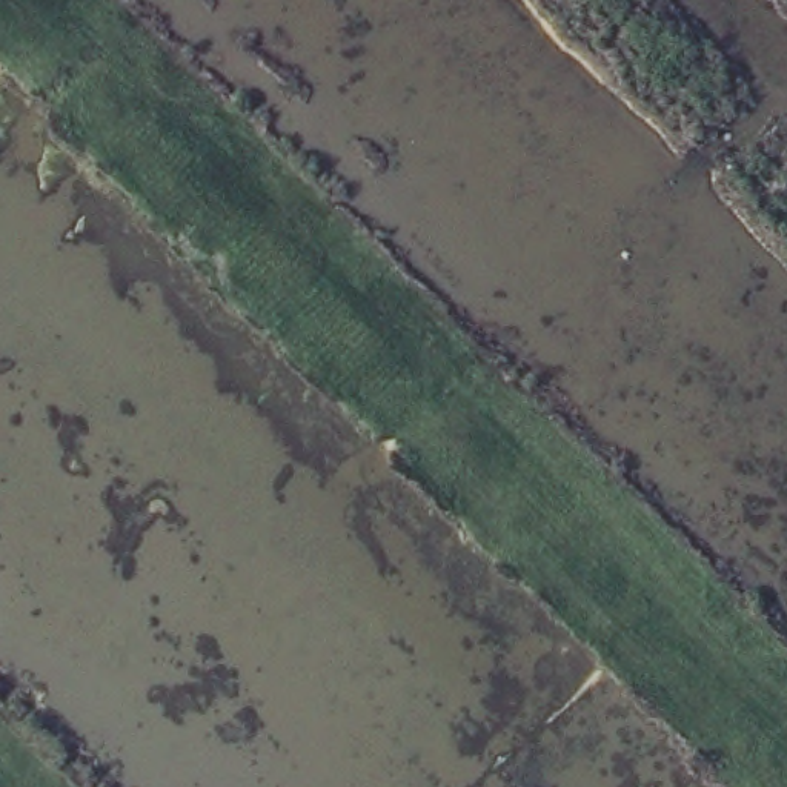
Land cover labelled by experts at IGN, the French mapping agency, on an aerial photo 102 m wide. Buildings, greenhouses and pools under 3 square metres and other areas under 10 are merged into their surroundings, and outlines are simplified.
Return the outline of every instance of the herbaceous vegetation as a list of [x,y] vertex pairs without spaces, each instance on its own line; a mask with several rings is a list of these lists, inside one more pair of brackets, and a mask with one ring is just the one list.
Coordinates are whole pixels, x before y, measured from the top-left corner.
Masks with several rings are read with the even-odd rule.
[[658,120],[655,129],[661,132],[682,132],[692,126],[682,108],[673,105]]
[[18,744],[18,738],[12,738],[9,726],[22,713],[15,704],[0,701],[0,787],[74,787],[65,778],[65,769],[43,772],[34,762],[34,756]]
[[692,550],[658,513],[621,480],[615,464],[603,464],[553,415],[541,412],[535,394],[529,378],[516,375],[516,369],[510,366],[495,366],[489,354],[461,326],[427,289],[412,283],[397,267],[397,261],[357,221],[347,218],[338,200],[329,194],[329,188],[310,169],[301,166],[301,160],[292,154],[286,141],[271,135],[246,114],[243,95],[234,92],[234,86],[224,92],[221,86],[206,83],[191,61],[188,46],[151,31],[141,22],[141,12],[132,6],[132,0],[0,0],[0,68],[6,71],[6,77],[18,83],[25,95],[46,105],[49,126],[58,138],[68,148],[80,151],[108,178],[108,184],[129,200],[129,206],[169,243],[169,249],[206,280],[215,298],[221,298],[246,323],[258,326],[258,332],[274,341],[274,347],[298,375],[304,375],[317,390],[323,390],[372,440],[390,440],[397,446],[390,452],[390,467],[409,477],[446,516],[452,516],[467,535],[467,541],[486,560],[510,569],[520,587],[575,643],[590,649],[596,664],[599,670],[606,670],[606,676],[624,689],[627,701],[646,719],[655,719],[658,729],[664,729],[670,750],[689,772],[695,750],[707,750],[719,762],[726,787],[787,787],[787,636],[781,639],[765,624],[756,596],[735,593],[707,566],[707,560],[698,550]]

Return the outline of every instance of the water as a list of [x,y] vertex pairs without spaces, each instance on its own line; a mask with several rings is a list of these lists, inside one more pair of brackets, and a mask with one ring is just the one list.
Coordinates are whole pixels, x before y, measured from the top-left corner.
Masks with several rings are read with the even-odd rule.
[[80,151],[68,148],[61,157],[52,160],[49,184],[40,184],[40,154],[58,138],[49,126],[46,105],[25,95],[18,83],[6,77],[6,71],[0,68],[0,701],[15,704],[22,713],[28,713],[31,722],[37,722],[43,710],[55,710],[83,738],[80,756],[74,762],[89,769],[95,787],[707,787],[689,772],[670,750],[664,729],[658,729],[655,719],[646,719],[627,701],[624,689],[606,676],[578,704],[569,707],[566,716],[547,722],[547,713],[572,695],[572,689],[596,664],[590,649],[575,643],[520,587],[510,569],[486,560],[467,541],[467,535],[452,516],[446,516],[409,477],[390,467],[390,452],[397,446],[390,440],[372,440],[323,390],[317,390],[304,375],[298,375],[274,347],[274,341],[258,332],[258,326],[246,323],[221,298],[215,298],[206,280],[169,249],[169,243],[129,206],[129,200],[108,184],[108,178]]
[[578,58],[566,55],[526,12],[520,0],[132,0],[132,6],[141,12],[141,22],[151,31],[188,46],[191,61],[206,83],[221,86],[224,92],[234,86],[255,86],[264,92],[267,101],[274,101],[274,108],[280,111],[280,129],[271,135],[286,141],[292,132],[298,132],[307,148],[320,148],[335,157],[335,166],[360,184],[357,209],[372,215],[378,224],[397,227],[397,243],[412,255],[424,277],[430,277],[455,304],[467,307],[470,320],[461,326],[489,354],[495,366],[510,366],[516,369],[516,375],[529,378],[535,394],[550,394],[553,403],[572,394],[578,412],[599,437],[633,449],[639,455],[639,480],[655,480],[664,492],[664,507],[658,513],[692,550],[698,550],[707,560],[707,566],[735,593],[756,596],[765,624],[781,639],[787,636],[787,255],[775,258],[735,215],[732,203],[719,197],[713,184],[713,163],[719,154],[741,154],[765,123],[787,117],[787,0],[682,0],[698,18],[707,22],[713,34],[738,37],[738,43],[744,46],[744,58],[756,77],[756,86],[762,89],[762,105],[756,114],[738,114],[716,126],[704,138],[704,144],[695,144],[676,154],[667,148],[661,132],[655,129],[643,117],[636,117],[609,86],[603,86]]

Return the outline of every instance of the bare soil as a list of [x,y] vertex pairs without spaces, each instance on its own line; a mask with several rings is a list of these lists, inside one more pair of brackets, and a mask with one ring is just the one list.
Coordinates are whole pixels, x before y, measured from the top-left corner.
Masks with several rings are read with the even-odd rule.
[[682,132],[661,132],[667,148],[676,154],[695,144],[698,129],[692,126]]
[[563,37],[556,22],[538,6],[538,0],[520,0],[526,12],[566,55],[578,58],[603,86],[609,86],[636,117],[643,117],[655,129],[658,120],[646,111],[643,101],[630,98],[621,74],[603,74],[590,52]]
[[49,184],[52,160],[61,157],[68,148],[58,138],[40,154],[40,184]]
[[606,670],[599,670],[596,664],[572,689],[572,695],[547,713],[547,722],[566,716],[569,707],[578,704],[606,676]]

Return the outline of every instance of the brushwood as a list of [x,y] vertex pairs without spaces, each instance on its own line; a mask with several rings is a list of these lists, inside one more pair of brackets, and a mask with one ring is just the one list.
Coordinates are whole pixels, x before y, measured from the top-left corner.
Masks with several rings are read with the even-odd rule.
[[301,166],[310,169],[329,188],[329,194],[338,200],[347,218],[357,221],[397,261],[397,267],[412,283],[427,289],[461,326],[470,320],[467,307],[455,304],[430,277],[424,277],[412,255],[397,243],[397,227],[378,224],[372,215],[357,209],[360,184],[335,166],[335,157],[320,148],[307,148],[298,132],[292,132],[286,141],[292,154],[301,160]]
[[698,129],[695,144],[704,144],[704,138],[716,126],[738,114],[756,114],[762,105],[762,89],[756,86],[756,77],[744,58],[744,46],[738,43],[738,37],[713,34],[707,22],[698,18],[682,0],[538,0],[538,6],[556,22],[563,37],[590,52],[603,74],[621,74],[630,98],[643,101],[646,111],[658,120],[673,105],[682,108],[692,126]]
[[65,778],[74,787],[95,787],[89,769],[74,762],[80,756],[83,738],[55,710],[43,710],[37,722],[31,722],[28,713],[22,713],[9,726],[12,738],[18,738],[18,744],[34,756],[34,762],[43,772],[65,769]]
[[707,787],[726,787],[719,762],[707,750],[695,750],[689,772]]
[[735,215],[775,258],[787,255],[787,117],[765,123],[741,154],[719,154],[713,163],[713,184],[719,197],[732,203]]
[[639,480],[639,455],[633,449],[599,437],[578,412],[572,394],[553,403],[550,394],[535,394],[541,412],[553,415],[603,464],[615,464],[621,480],[658,513],[664,507],[664,492],[655,480]]
[[255,86],[234,86],[234,92],[243,95],[246,114],[271,135],[280,129],[280,111],[274,108],[274,101],[267,101],[264,92]]

